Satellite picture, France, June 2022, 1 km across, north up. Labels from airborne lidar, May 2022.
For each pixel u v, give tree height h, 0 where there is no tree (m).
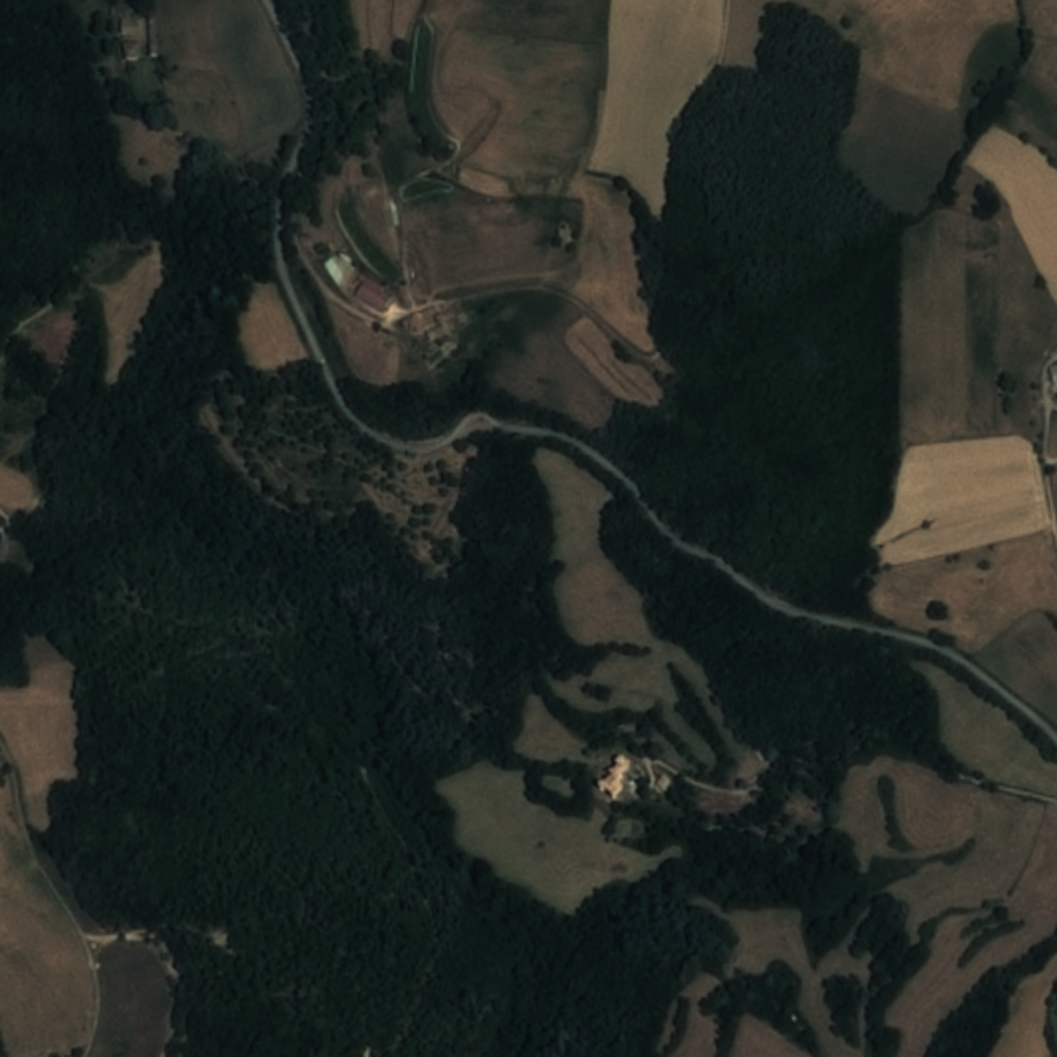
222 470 21
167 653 7
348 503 8
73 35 31
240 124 0
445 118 0
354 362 0
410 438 15
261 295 0
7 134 30
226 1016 16
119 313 0
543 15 0
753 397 10
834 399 9
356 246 0
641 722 10
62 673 0
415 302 0
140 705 14
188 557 26
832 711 16
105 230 20
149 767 23
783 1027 14
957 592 0
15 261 16
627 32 0
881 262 13
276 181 11
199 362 22
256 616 17
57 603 25
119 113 19
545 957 13
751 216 23
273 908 17
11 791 0
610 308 0
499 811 0
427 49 0
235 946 10
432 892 20
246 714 21
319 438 11
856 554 8
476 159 0
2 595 20
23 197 18
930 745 13
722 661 18
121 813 23
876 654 16
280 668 11
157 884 18
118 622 12
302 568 24
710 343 7
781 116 19
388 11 0
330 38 21
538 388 0
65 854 13
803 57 18
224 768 24
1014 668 0
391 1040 16
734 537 18
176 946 16
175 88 0
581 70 0
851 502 8
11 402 21
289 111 0
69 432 21
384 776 9
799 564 8
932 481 0
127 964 0
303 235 8
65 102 23
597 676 0
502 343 6
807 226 18
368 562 17
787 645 19
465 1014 25
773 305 12
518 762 13
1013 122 0
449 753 21
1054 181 0
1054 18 0
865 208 22
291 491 9
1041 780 0
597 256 0
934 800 0
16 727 0
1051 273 0
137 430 21
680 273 15
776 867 21
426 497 0
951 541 0
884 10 0
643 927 36
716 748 15
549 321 0
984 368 0
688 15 0
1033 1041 0
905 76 0
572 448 18
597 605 0
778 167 27
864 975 0
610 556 16
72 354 15
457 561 10
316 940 14
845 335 8
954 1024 13
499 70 0
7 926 0
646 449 16
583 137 0
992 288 0
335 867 13
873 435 6
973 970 0
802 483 11
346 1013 11
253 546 10
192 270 21
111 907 16
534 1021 21
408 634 23
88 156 23
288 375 16
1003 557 0
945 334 0
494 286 0
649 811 12
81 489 18
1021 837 0
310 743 21
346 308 0
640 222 18
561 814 6
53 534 17
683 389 8
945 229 0
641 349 0
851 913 13
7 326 15
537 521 21
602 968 16
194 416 21
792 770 27
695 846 10
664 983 12
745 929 0
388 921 19
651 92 0
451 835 12
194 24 0
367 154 10
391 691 25
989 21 0
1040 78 0
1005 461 0
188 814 26
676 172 14
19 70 21
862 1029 0
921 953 14
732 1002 12
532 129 0
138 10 24
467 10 0
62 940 0
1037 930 0
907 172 0
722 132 18
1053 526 0
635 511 18
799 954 0
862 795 0
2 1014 0
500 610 19
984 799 0
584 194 0
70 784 17
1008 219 0
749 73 13
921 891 0
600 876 0
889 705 23
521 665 23
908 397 0
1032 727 13
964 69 0
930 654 15
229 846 7
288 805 19
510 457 17
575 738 0
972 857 0
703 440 14
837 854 21
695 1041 0
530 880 0
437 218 0
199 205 20
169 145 0
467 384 17
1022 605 0
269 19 0
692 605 17
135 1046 0
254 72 0
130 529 19
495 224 0
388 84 10
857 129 0
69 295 23
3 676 21
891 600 0
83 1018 0
